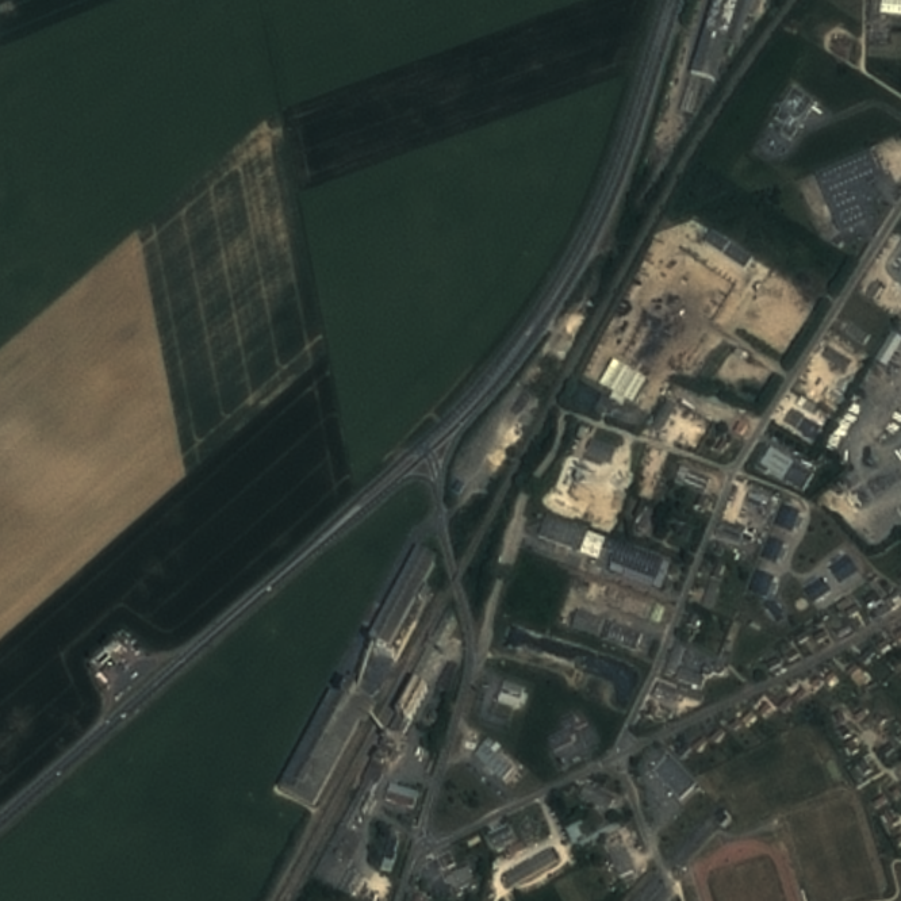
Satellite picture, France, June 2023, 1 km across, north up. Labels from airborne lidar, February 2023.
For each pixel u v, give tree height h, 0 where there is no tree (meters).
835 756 0
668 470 0
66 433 0
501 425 0
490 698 0
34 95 0
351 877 0
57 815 0
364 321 0
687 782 0
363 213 0
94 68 0
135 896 0
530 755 0
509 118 0
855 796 0
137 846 0
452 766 0
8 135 0
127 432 0
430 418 0
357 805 0
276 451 0
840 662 0
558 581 0
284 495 0
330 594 0
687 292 0
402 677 0
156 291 0
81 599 0
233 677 0
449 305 0
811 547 0
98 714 0
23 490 0
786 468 0
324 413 0
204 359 0
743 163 0
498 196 0
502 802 0
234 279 0
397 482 0
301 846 0
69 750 0
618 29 0
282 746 0
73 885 0
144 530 0
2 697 0
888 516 0
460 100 0
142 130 0
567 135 0
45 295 0
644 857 0
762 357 0
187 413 0
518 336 0
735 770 0
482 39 0
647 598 0
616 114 0
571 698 0
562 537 0
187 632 0
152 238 0
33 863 0
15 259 0
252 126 0
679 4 0
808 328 7
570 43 0
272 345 0
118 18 0
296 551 0
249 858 0
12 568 0
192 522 0
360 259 0
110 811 0
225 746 0
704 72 0
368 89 0
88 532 0
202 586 0
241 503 0
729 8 0
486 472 0
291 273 0
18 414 0
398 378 0
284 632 0
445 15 0
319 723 0
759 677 12
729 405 11
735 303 0
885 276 0
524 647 0
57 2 0
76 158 0
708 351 0
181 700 0
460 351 0
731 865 0
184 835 0
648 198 6
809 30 0
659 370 0
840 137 0
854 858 0
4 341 0
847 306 0
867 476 0
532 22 0
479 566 6
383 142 0
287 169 0
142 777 0
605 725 0
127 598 0
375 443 0
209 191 0
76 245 0
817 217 0
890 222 0
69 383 0
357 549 0
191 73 0
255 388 0
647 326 0
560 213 0
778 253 0
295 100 0
